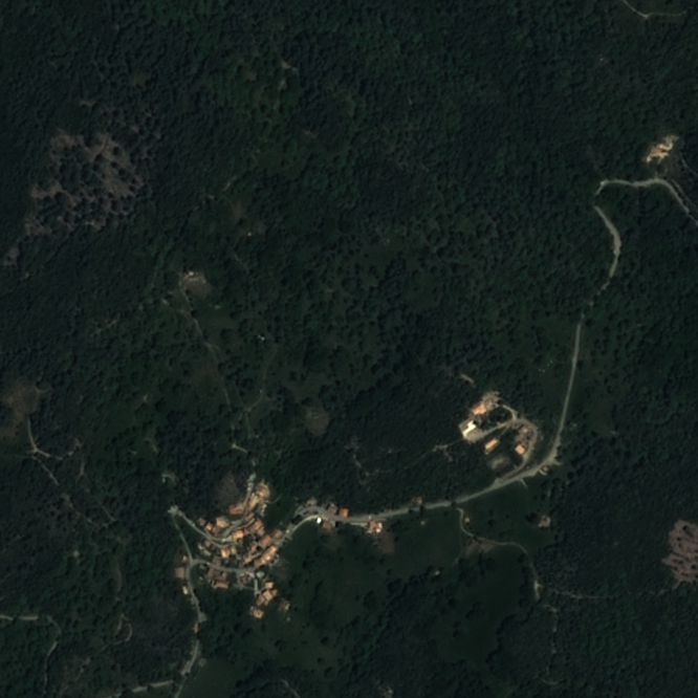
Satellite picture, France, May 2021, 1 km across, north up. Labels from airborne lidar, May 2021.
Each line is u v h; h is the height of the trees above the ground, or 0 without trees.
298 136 11
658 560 7
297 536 0
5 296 11
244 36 30
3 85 9
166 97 19
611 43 7
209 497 9
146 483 8
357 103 10
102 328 15
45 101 10
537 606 8
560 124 15
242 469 15
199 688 0
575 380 0
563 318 13
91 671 10
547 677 10
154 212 13
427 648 15
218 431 10
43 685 10
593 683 12
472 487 6
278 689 12
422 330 6
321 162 20
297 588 16
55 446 8
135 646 6
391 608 13
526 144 21
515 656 11
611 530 8
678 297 16
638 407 12
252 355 0
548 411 10
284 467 13
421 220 18
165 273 17
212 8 15
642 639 14
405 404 17
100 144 21
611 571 7
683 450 13
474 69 12
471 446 7
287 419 18
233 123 22
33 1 15
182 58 15
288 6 18
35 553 17
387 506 9
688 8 8
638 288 14
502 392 10
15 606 12
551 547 10
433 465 8
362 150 20
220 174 12
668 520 12
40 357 22
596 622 9
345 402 12
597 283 11
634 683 14
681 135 9
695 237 22
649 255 19
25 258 22
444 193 12
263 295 9
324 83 24
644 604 8
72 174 18
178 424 19
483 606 6
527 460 0
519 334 19
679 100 11
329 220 15
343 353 21
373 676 11
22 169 9
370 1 24
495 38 11
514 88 22
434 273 14
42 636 16
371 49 14
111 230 19
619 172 11
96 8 12
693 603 15
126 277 15
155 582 15
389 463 9
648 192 11
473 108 12
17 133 11
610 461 17
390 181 13
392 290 23
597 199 15
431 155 18
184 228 17
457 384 12
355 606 0
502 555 0
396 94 6
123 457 19
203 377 0
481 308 14
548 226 15
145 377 8
